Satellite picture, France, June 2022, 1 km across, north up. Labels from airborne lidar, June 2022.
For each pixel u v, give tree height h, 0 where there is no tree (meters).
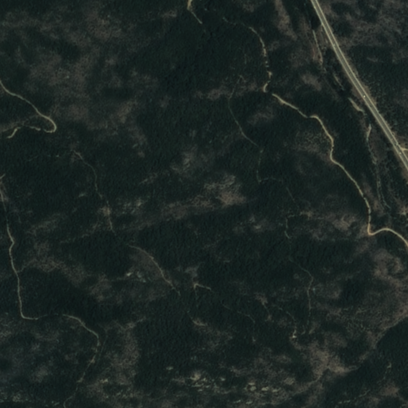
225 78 8
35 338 8
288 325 7
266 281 8
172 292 8
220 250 9
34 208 9
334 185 6
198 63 18
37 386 8
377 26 0
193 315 12
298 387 0
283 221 6
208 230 12
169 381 10
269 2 7
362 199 7
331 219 0
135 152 9
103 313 16
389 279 0
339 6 6
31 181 11
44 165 6
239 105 6
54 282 7
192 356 11
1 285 8
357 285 8
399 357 8
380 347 7
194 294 11
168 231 14
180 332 12
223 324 12
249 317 10
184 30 13
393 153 10
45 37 7
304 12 6
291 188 8
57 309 13
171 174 9
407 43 7
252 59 6
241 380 9
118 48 5
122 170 5
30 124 5
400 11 7
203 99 8
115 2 9
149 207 8
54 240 6
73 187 8
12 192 7
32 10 6
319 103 5
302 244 7
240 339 7
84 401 6
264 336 12
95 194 11
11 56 9
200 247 12
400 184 11
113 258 12
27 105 7
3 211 10
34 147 9
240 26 13
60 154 11
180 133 7
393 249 7
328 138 6
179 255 10
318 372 0
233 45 13
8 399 7
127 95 8
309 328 9
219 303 7
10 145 11
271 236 7
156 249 5
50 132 6
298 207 10
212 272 8
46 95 7
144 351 8
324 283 6
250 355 6
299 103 9
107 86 6
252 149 11
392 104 9
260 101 7
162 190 8
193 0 9
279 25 0
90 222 7
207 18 15
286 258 15
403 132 10
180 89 9
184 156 6
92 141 7
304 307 8
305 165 7
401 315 0
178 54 13
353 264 10
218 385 9
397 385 6
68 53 6
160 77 9
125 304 9
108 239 13
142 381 10
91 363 6
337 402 8
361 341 7
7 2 7
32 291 7
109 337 7
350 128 11
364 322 7
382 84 8
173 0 8
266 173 7
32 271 7
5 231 6
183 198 11
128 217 6
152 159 9
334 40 0
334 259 14
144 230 8
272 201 8
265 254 8
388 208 7
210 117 13
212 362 6
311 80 0
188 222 9
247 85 8
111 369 6
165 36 7
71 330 8
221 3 13
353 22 0
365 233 0
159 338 6
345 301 10
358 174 6
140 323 12
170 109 11
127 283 8
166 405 0
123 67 12
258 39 9
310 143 7
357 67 8
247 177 10
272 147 11
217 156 8
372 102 0
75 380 7
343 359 12
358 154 10
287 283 6
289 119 10
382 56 8
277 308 12
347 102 9
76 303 11
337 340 0
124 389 6
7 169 10
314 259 11
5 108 8
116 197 8
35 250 7
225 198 0
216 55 12
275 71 6
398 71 9
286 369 6
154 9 7
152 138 9
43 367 0
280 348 6
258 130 13
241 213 11
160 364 9
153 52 8
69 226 7
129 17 6
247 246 12
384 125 0
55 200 9
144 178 10
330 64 10
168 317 11
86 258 12
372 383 7
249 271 15
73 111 0
